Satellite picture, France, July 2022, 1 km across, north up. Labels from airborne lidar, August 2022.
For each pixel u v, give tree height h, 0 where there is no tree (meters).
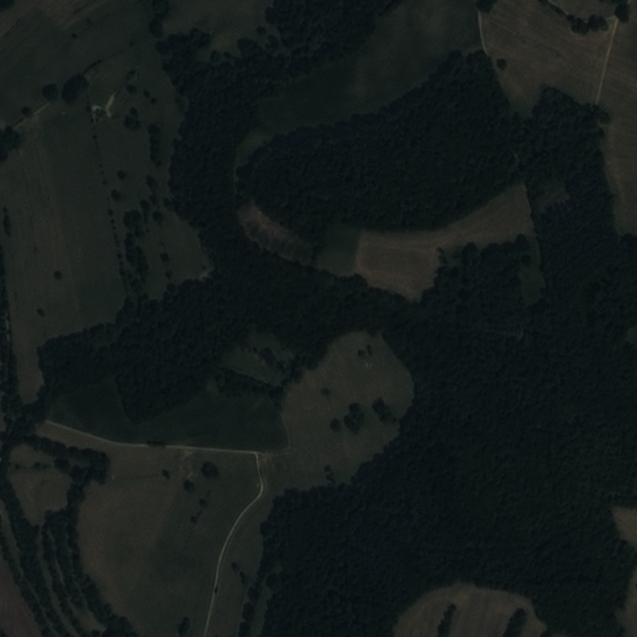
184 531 0
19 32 0
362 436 0
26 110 12
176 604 0
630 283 22
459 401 18
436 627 0
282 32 26
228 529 0
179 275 0
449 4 0
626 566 19
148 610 0
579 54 0
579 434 16
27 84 0
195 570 0
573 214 18
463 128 15
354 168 18
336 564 26
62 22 0
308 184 20
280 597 21
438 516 20
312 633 21
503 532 19
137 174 0
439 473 28
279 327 26
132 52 0
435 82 20
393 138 23
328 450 0
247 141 0
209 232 20
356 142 27
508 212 0
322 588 23
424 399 20
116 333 8
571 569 11
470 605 0
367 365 0
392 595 11
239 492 0
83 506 0
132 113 8
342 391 0
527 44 0
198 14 0
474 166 19
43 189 0
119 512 0
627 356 21
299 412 0
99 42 0
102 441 0
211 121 22
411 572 24
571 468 16
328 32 18
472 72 19
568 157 20
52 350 21
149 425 0
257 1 0
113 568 0
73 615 8
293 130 0
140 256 19
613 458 19
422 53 0
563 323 23
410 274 0
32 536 16
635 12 0
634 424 18
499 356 18
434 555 21
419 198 20
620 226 0
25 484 0
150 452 0
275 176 20
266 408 0
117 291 0
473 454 17
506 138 20
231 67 18
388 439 0
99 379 19
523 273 0
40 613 14
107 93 0
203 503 10
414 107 24
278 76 25
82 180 0
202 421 0
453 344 24
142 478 0
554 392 18
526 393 20
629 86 0
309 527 22
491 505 15
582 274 22
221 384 11
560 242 23
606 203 20
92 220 0
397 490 25
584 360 21
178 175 18
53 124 0
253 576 0
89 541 0
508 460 22
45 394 21
